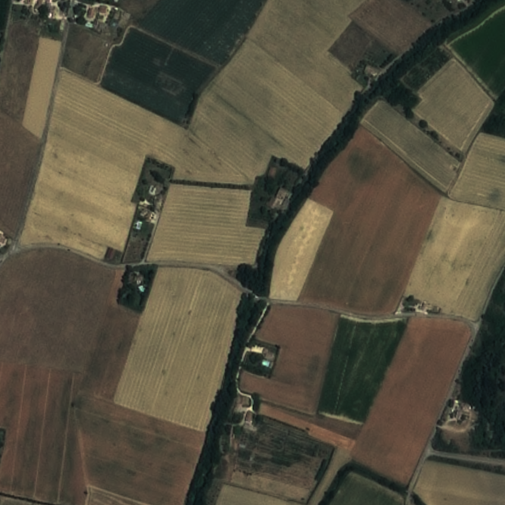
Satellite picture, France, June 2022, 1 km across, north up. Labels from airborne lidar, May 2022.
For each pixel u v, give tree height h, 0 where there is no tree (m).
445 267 0
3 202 0
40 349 0
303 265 0
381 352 0
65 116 0
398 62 11
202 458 12
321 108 0
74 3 0
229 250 0
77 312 0
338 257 0
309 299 0
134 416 0
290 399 0
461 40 0
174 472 0
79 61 0
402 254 0
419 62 17
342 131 16
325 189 0
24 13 7
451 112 0
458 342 0
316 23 0
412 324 0
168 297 0
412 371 0
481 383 12
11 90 0
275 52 0
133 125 0
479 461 0
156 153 0
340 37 0
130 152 0
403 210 0
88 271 0
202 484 11
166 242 0
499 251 0
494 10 0
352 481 0
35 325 0
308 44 0
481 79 0
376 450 0
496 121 11
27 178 0
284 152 0
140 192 9
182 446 0
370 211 0
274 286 0
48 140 0
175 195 0
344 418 0
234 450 0
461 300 0
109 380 0
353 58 0
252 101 0
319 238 0
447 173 0
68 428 0
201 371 0
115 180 0
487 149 0
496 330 6
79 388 0
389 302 0
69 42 0
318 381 0
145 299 12
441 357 0
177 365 0
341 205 0
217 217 0
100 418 0
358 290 0
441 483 0
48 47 0
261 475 0
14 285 0
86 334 0
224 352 0
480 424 6
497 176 0
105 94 0
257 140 0
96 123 0
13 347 0
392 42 0
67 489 0
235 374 13
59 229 0
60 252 0
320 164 23
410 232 0
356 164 0
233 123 0
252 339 7
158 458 0
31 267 0
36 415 0
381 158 0
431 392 0
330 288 0
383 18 0
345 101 0
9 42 0
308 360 0
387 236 0
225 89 0
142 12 0
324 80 0
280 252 0
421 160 0
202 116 0
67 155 0
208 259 0
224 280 0
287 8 0
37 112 0
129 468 0
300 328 0
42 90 0
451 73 0
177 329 0
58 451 0
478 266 0
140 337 0
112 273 0
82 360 0
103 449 0
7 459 0
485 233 0
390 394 0
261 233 0
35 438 0
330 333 0
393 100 18
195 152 0
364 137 0
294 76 0
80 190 0
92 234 0
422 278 0
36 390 0
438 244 0
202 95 0
